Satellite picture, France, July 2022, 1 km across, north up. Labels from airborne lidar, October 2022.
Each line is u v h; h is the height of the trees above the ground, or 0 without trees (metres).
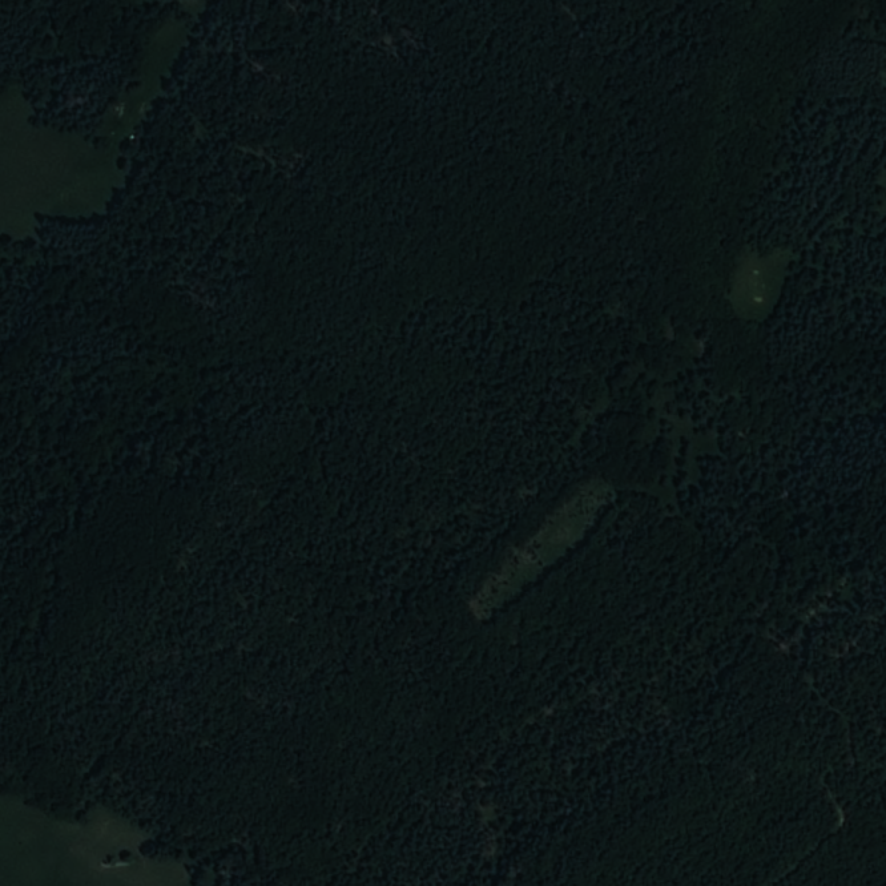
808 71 21
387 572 15
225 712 21
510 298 20
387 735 17
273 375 27
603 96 25
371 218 16
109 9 21
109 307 20
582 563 17
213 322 18
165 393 8
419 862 18
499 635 13
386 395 17
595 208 24
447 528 10
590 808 15
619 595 20
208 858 10
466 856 27
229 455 22
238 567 19
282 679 20
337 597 16
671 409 11
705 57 24
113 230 14
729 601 6
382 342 12
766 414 24
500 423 15
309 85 24
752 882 15
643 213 22
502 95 22
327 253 18
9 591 24
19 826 0
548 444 17
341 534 20
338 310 16
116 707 19
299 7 15
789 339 21
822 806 11
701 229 23
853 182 21
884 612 20
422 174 17
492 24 22
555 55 27
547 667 18
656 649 6
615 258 19
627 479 16
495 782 17
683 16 25
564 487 14
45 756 20
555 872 20
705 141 14
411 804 26
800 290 13
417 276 16
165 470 27
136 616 13
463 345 18
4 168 0
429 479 19
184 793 28
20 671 20
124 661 24
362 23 24
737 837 11
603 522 19
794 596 7
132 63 21
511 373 20
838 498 15
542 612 12
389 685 14
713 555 8
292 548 19
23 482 6
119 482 25
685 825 16
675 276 16
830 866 13
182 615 19
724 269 20
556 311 15
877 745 21
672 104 23
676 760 19
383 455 19
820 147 28
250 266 24
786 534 12
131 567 20
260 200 21
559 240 22
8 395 9
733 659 11
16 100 0
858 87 22
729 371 23
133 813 9
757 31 13
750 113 27
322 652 21
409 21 20
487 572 20
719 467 30
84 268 22
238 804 20
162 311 26
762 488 8
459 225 19
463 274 18
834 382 18
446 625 17
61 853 0
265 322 24
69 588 24
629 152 22
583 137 23
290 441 24
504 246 19
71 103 29
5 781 14
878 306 24
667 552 19
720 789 18
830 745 14
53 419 21
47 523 25
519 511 23
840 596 19
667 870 14
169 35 0
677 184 18
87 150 0
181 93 9
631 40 26
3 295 22
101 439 14
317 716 21
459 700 19
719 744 24
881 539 24
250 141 21
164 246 14
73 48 8
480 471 17
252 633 21
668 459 20
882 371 15
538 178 19
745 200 20
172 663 21
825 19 24
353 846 12
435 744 18
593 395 6
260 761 19
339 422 20
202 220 22
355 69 22
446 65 21
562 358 18
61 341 15
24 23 19
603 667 18
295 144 22
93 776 14
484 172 25
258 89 28
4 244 19
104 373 11
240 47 28
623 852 18
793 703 21
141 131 6
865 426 33
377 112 24
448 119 22
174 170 14
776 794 11
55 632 23
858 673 19
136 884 0
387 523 21
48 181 0
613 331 19
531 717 7
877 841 11
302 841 22
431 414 15
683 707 9
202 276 17
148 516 26
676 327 9
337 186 20
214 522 15
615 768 17
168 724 19
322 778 20
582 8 22
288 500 20
